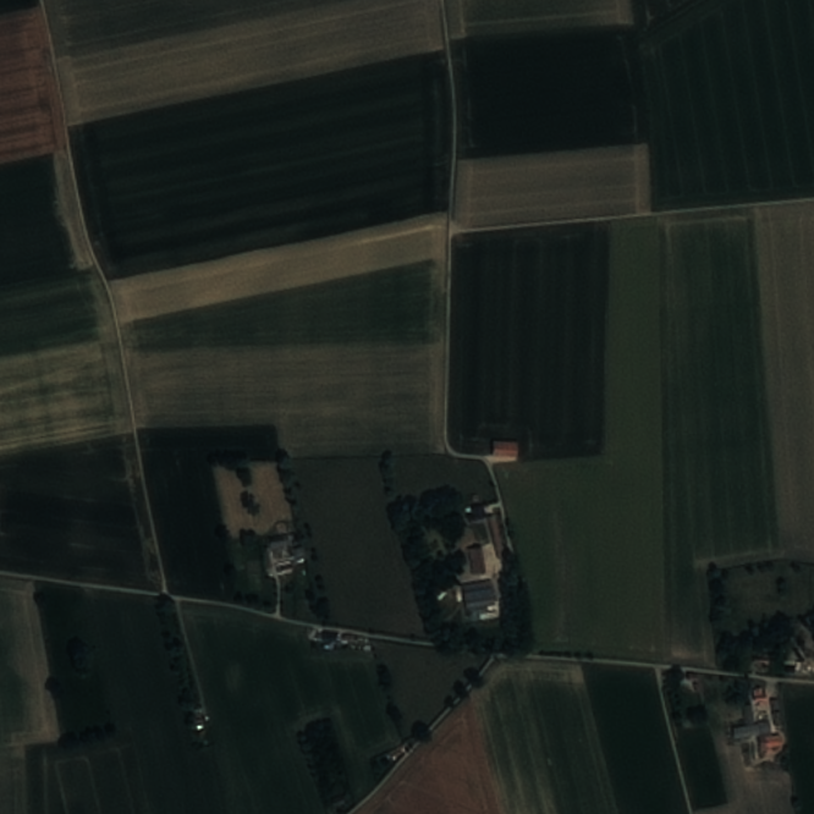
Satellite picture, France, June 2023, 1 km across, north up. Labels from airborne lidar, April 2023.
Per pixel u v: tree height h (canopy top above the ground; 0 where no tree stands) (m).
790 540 0
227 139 0
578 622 0
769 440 0
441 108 0
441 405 0
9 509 0
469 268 0
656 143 0
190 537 0
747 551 0
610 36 0
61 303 0
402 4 0
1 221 0
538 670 0
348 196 0
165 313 0
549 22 0
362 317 0
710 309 0
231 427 0
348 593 0
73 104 0
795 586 0
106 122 0
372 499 0
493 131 0
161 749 0
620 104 0
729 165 0
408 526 9
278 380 0
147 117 0
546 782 0
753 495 0
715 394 0
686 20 0
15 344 0
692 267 0
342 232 0
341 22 0
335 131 0
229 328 0
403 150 0
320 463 0
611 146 0
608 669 0
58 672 0
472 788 0
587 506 0
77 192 0
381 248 0
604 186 0
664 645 0
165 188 0
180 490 0
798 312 0
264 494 0
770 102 0
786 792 0
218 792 0
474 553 0
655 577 0
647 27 0
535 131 0
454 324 0
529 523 0
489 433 0
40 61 0
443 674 0
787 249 0
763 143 0
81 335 0
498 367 0
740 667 8
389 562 0
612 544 0
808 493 0
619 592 0
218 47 0
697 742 0
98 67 0
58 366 0
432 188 0
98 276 0
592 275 0
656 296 0
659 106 0
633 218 0
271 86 0
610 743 0
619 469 0
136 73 0
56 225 0
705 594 0
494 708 0
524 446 0
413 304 0
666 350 0
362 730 0
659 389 0
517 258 0
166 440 0
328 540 0
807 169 0
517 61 0
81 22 0
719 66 0
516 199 0
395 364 0
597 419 0
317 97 0
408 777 0
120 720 0
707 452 0
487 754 0
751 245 0
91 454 0
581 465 0
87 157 0
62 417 0
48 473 0
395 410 0
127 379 0
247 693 0
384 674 15
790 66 0
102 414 0
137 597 0
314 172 0
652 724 0
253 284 0
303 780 0
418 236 0
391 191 0
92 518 0
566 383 0
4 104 0
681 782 0
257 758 0
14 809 0
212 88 0
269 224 0
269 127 0
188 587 0
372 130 0
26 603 0
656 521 0
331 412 0
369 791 0
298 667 0
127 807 0
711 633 0
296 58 0
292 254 0
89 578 0
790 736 0
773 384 0
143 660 0
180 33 0
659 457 0
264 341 0
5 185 0
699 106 0
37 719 0
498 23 0
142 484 0
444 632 16
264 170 0
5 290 0
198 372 0
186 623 0
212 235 0
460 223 0
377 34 0
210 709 0
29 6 0
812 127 0
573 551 0
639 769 0
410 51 0
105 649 0
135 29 0
